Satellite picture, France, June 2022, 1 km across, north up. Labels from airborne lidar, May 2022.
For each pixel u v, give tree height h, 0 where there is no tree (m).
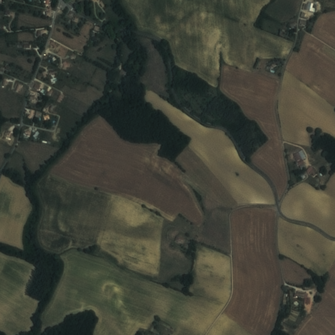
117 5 16
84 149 0
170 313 0
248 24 0
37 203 13
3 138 0
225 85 0
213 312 0
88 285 0
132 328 0
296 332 0
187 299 0
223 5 0
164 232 0
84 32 0
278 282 0
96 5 0
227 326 0
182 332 0
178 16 0
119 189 0
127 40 25
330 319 0
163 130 21
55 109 0
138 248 0
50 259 9
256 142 8
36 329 22
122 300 0
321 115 0
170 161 9
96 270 0
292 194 0
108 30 31
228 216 0
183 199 0
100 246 0
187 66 0
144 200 0
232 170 0
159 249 0
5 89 0
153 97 0
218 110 10
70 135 24
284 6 0
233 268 0
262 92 0
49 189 0
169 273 0
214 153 0
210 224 0
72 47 0
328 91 0
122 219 0
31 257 19
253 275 0
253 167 0
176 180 0
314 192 0
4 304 0
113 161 0
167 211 0
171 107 0
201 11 0
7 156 18
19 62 0
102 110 20
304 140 0
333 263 0
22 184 10
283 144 0
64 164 0
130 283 0
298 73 0
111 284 0
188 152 0
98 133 0
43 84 0
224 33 0
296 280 0
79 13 20
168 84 9
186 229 0
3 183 0
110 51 0
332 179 0
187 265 0
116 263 0
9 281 0
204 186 0
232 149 0
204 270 0
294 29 10
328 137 19
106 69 23
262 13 11
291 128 0
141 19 0
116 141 0
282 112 0
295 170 10
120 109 13
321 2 0
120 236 0
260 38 0
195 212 0
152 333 7
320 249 0
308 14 0
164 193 0
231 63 0
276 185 0
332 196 0
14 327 0
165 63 16
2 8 15
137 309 0
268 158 0
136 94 32
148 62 0
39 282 27
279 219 0
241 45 0
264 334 0
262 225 0
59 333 17
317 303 11
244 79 0
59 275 8
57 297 0
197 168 0
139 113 18
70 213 0
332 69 0
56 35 0
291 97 0
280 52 0
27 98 12
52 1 8
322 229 0
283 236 0
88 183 0
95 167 0
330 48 0
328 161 16
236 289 0
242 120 8
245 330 0
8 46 7
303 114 0
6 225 0
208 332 0
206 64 0
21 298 0
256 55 0
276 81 0
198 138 0
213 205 0
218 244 0
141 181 0
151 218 0
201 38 0
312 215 0
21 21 0
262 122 0
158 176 0
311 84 0
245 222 0
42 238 0
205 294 0
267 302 0
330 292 0
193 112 11
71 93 0
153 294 0
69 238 0
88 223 0
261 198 0
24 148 0
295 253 0
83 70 0
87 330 11
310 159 0
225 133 8
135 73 23
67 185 0
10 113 0
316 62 0
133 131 17
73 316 9
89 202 0
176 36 0
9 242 0
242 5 0
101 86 0
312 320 0
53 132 0
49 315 0
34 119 17
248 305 0
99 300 0
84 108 0
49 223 0
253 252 0
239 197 0
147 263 0
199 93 8
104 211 0
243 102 0
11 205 0
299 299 9
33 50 7
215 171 0
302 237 0
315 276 16
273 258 0
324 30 0
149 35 0
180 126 0
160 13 0
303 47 0
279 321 11
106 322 0
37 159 0
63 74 0
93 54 0
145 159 0
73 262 0
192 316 0
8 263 0
